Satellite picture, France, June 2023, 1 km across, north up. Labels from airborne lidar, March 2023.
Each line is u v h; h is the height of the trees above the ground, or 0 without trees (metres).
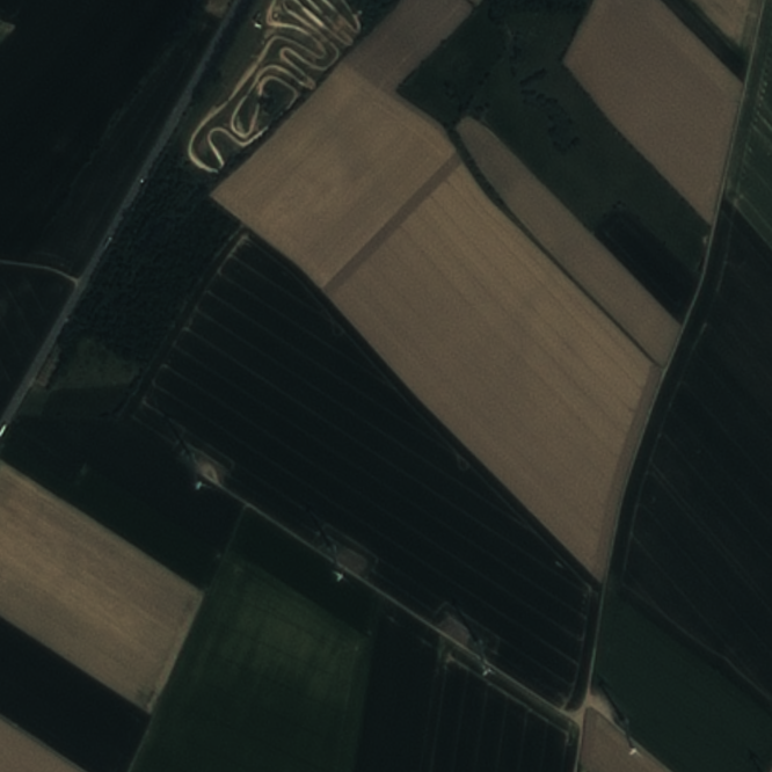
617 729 0
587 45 0
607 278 0
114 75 0
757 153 0
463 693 0
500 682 0
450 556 0
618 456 0
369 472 0
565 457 0
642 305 0
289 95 0
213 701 0
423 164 0
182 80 0
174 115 0
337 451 0
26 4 0
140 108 0
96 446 0
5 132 0
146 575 0
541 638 0
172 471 0
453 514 0
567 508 0
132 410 0
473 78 0
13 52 0
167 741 0
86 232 0
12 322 0
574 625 0
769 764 0
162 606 0
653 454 0
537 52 0
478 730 0
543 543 0
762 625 0
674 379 0
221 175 6
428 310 0
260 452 0
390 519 0
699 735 0
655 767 0
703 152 0
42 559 0
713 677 0
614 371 0
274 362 0
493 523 0
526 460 0
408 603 0
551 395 0
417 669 0
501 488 0
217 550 0
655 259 0
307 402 0
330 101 0
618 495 0
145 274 7
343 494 0
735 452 0
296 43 0
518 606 0
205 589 0
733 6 0
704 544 0
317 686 0
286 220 0
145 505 0
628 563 0
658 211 0
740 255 0
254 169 0
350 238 0
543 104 7
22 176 0
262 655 0
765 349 0
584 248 0
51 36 0
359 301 0
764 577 0
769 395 0
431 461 0
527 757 0
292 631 0
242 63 0
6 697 0
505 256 0
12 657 0
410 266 0
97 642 0
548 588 0
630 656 0
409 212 0
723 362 0
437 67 0
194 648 0
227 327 0
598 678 0
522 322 0
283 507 0
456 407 0
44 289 0
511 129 0
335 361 0
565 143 7
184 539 0
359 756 0
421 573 0
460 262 0
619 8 0
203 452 0
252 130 0
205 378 0
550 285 0
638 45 0
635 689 0
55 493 0
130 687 0
